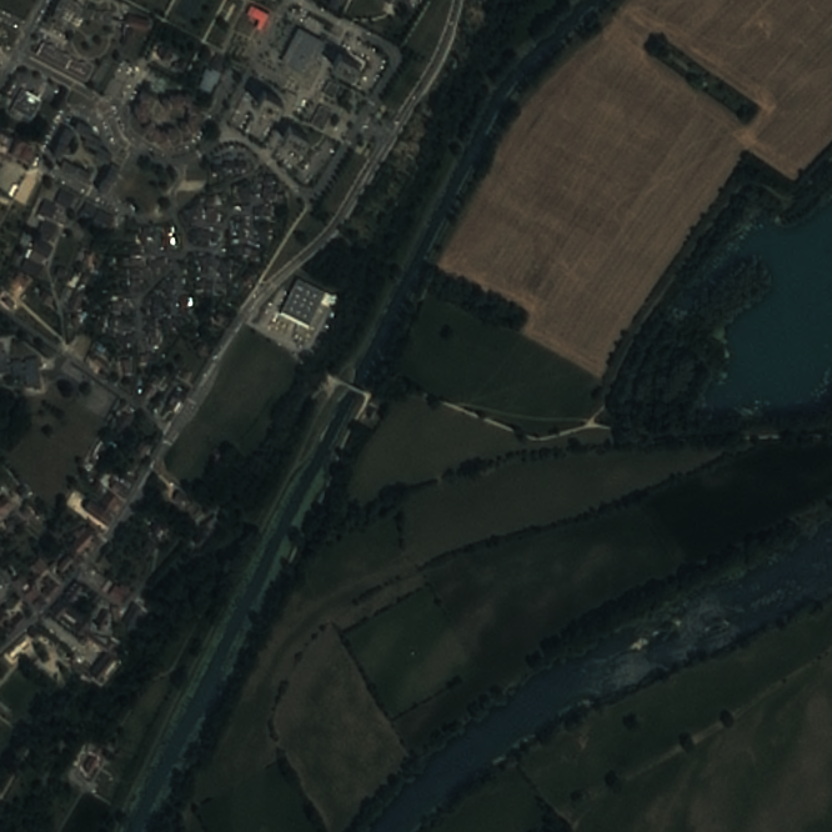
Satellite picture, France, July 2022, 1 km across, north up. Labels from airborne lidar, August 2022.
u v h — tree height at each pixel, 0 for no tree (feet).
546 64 42
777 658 0
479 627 0
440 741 57
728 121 0
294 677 0
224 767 0
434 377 0
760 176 37
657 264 0
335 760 0
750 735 0
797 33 0
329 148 0
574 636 65
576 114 0
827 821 0
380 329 0
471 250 0
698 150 0
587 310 0
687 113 0
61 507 29
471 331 0
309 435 0
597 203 0
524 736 0
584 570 0
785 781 0
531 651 0
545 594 0
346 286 47
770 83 0
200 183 0
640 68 0
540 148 0
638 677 0
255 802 0
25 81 0
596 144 0
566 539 0
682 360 68
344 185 0
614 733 0
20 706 0
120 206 0
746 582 0
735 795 0
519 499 0
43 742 79
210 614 30
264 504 54
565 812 0
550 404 0
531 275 0
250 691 0
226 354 0
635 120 0
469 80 53
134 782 0
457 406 0
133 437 88
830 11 0
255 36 0
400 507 30
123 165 0
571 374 0
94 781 0
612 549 0
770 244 0
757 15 0
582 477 0
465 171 0
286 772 64
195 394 0
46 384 0
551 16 54
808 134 0
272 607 67
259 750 0
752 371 0
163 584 26
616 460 0
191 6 0
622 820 0
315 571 0
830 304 0
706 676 0
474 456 0
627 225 0
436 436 0
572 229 0
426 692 0
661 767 0
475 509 0
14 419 52
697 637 0
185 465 0
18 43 0
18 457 0
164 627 81
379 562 0
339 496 76
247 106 0
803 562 0
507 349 0
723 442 58
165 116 0
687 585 56
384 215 33
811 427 26
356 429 49
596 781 0
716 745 0
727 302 66
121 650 62
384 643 0
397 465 0
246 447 0
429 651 0
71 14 0
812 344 0
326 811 0
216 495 36
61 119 0
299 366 23
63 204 0
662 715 0
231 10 0
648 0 0
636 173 0
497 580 0
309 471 0
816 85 0
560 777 0
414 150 0
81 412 0
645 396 39
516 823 0
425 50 0
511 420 0
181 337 23
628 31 0
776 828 0
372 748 0
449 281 64
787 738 0
